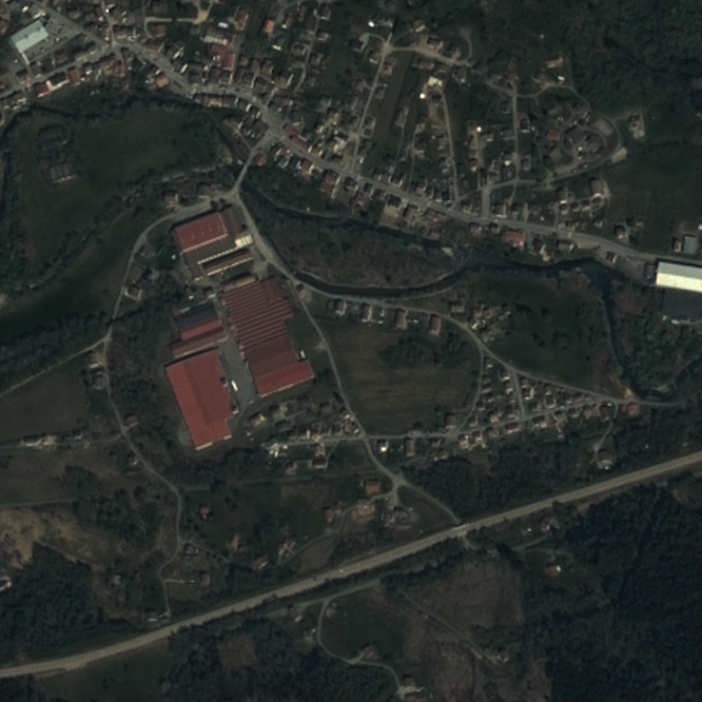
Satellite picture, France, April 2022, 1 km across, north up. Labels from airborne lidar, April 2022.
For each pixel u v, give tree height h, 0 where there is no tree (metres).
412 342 6
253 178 13
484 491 13
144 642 0
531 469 19
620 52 32
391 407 0
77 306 0
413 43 0
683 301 0
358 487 0
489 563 0
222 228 0
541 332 0
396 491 0
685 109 24
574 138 0
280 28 0
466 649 0
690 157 0
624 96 22
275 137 0
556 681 20
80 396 0
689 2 11
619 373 8
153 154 0
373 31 9
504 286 0
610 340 16
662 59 30
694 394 0
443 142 0
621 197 0
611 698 19
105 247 13
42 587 19
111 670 0
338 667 14
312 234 23
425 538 0
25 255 12
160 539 0
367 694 14
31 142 0
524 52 0
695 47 19
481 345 0
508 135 0
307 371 0
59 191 0
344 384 0
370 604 0
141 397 20
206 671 7
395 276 0
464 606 0
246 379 0
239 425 0
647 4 13
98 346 0
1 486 0
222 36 0
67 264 19
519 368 0
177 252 9
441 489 23
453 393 0
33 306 0
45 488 0
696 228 0
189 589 0
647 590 21
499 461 11
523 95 0
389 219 0
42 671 0
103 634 16
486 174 10
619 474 11
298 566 0
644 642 20
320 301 0
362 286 0
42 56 0
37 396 0
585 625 20
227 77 0
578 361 0
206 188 0
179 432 0
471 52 0
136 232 0
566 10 11
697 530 18
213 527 0
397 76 0
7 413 0
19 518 0
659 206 0
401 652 0
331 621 0
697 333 10
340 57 0
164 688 14
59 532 0
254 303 0
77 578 23
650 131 0
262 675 12
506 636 0
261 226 11
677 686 16
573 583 0
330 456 0
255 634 19
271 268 0
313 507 0
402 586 13
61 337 16
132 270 0
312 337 0
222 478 17
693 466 0
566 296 0
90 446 0
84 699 0
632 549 25
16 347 9
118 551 0
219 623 12
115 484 0
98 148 0
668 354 14
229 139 0
